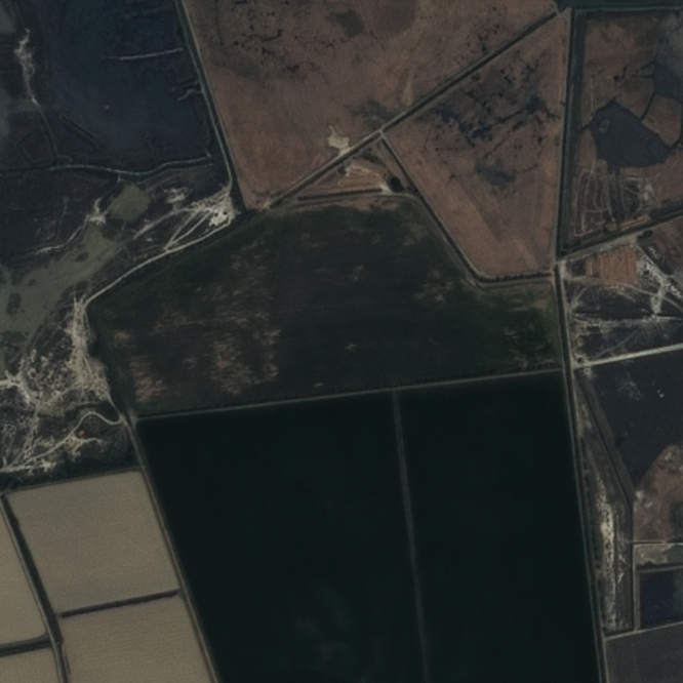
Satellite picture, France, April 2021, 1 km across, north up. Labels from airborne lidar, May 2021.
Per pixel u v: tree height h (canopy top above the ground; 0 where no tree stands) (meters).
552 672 0
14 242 0
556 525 0
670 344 0
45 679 0
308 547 0
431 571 0
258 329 0
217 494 0
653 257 0
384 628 0
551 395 0
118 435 0
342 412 0
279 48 0
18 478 0
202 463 0
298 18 0
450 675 0
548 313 0
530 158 0
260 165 0
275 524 0
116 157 0
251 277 0
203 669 0
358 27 0
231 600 0
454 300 0
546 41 0
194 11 0
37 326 0
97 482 0
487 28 0
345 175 0
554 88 0
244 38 0
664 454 0
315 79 0
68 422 0
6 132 0
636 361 0
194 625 0
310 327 0
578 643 0
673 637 0
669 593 0
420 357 0
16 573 0
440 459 0
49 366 0
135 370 0
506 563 0
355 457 0
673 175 0
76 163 0
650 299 0
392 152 0
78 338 0
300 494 0
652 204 0
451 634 0
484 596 0
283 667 0
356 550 0
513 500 0
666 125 0
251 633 0
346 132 0
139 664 0
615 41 0
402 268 0
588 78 0
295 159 0
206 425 0
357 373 0
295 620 0
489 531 0
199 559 0
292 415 0
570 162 0
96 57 0
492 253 0
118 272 0
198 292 0
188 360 0
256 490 0
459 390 0
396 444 0
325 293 0
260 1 0
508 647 0
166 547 0
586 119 0
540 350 0
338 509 0
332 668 0
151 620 0
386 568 0
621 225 0
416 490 0
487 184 0
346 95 0
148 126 0
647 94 0
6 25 0
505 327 0
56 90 0
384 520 0
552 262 0
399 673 0
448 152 0
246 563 0
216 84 0
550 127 0
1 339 0
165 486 0
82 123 0
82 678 0
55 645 0
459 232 0
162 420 0
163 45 0
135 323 0
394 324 0
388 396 0
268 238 0
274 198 0
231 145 0
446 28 0
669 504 0
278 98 0
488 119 0
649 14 0
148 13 0
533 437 0
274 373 0
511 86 0
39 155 0
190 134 0
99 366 0
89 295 0
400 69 0
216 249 0
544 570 0
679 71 0
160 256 0
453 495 0
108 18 0
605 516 0
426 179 0
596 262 0
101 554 0
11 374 0
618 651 0
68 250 0
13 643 0
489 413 0
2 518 0
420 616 0
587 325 0
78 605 0
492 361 0
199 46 0
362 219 0
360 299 0
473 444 0
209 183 0
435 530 0
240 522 0
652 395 0
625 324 0
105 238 0
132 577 0
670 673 0
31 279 0
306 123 0
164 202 0
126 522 0
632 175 0
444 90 0
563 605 0
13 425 0
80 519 0
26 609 0
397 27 0
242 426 0
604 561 0
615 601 0
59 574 0
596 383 0
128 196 0
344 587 0
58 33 0
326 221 0
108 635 0
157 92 0
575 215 0
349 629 0
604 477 0
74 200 0
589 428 0
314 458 0
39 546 0
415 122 0
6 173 6
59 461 0
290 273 0
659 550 0
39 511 0
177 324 0
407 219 0
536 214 0
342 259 0
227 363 0
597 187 0
